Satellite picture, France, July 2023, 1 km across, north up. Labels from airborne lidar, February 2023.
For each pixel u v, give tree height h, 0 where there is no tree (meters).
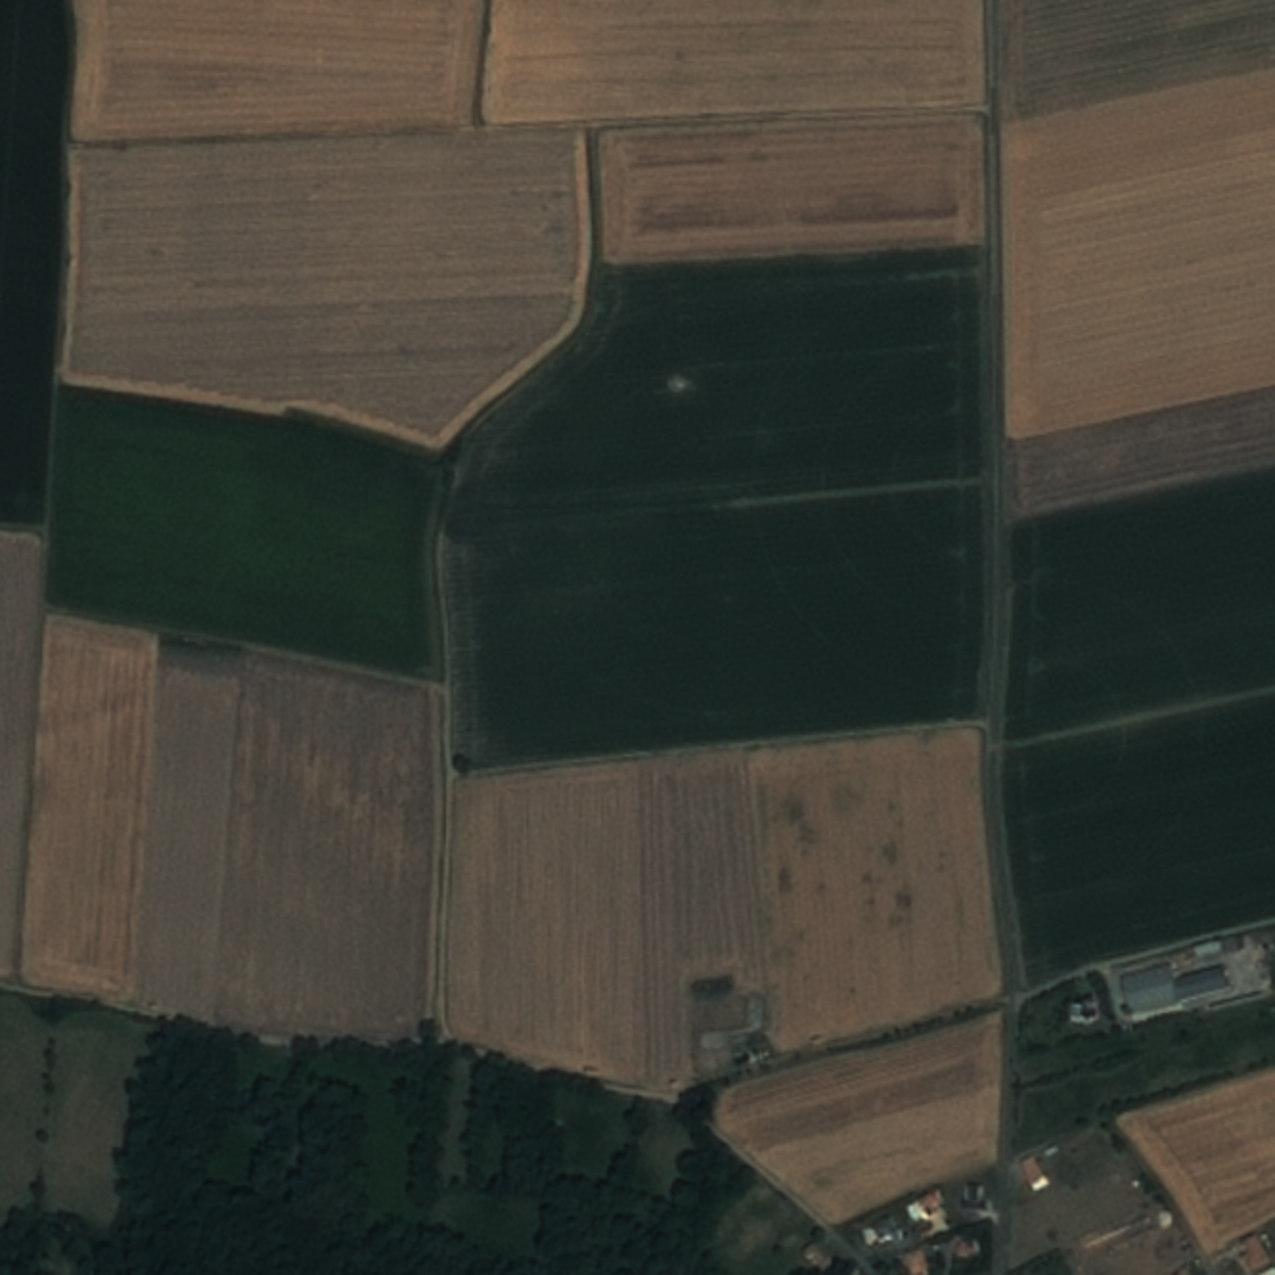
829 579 0
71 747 0
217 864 0
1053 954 0
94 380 0
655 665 0
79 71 0
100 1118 0
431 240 0
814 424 0
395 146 0
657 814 0
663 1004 0
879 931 0
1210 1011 0
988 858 0
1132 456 0
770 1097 0
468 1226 0
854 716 0
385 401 0
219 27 0
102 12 0
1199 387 0
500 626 0
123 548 0
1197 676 0
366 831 0
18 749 0
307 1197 19
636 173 0
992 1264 8
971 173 0
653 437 0
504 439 0
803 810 0
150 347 0
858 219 0
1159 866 0
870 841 0
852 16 0
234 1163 0
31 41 0
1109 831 0
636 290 0
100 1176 0
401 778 0
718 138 0
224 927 0
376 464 0
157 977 0
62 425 0
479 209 0
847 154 0
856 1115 0
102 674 0
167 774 0
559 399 0
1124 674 0
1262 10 0
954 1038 0
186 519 0
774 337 0
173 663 0
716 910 0
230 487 0
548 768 0
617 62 0
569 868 0
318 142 0
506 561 0
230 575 0
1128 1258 0
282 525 0
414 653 0
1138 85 0
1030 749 0
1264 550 0
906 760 0
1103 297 0
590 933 0
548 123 0
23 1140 0
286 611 0
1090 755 0
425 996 0
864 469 0
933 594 0
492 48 0
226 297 0
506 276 0
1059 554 0
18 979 0
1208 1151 0
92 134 0
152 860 0
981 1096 0
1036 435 0
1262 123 0
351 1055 18
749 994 0
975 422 0
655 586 0
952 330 0
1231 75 0
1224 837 0
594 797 0
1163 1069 0
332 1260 18
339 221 0
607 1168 0
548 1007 0
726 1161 8
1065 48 0
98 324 0
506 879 0
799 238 0
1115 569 0
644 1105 12
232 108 0
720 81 0
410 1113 23
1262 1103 0
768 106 0
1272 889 0
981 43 0
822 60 0
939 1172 0
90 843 0
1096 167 0
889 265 0
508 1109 19
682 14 0
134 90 0
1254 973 0
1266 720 0
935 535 0
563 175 0
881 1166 0
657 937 0
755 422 0
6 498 0
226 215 0
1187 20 0
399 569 0
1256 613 0
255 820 0
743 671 0
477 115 0
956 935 0
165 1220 18
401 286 0
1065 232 0
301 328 0
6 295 0
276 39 0
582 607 0
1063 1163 0
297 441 0
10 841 0
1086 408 0
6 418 0
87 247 0
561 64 0
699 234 0
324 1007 0
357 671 0
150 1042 0
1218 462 0
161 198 0
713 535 0
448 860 0
